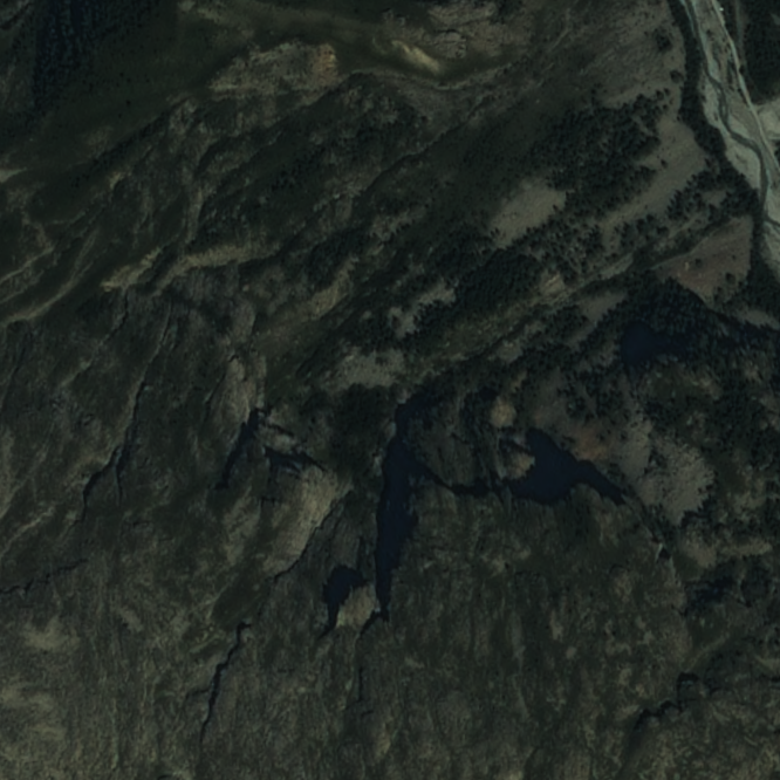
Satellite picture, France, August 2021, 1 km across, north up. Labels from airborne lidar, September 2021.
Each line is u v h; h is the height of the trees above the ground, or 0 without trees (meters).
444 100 0
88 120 0
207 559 0
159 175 0
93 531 0
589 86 0
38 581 0
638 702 0
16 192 0
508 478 0
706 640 0
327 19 0
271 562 0
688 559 0
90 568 0
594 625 0
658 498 0
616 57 0
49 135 0
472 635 0
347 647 0
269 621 0
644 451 0
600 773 0
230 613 0
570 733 0
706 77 0
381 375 0
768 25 7
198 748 0
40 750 0
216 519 0
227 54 0
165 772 0
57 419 0
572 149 8
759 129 0
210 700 0
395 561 0
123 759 0
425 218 0
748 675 0
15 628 0
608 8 0
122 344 0
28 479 0
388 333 11
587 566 0
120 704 0
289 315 0
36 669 0
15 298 0
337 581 0
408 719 0
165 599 0
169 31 0
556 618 0
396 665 0
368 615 0
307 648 0
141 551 0
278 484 0
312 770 0
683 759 0
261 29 0
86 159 0
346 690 0
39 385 0
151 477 0
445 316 12
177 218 0
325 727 0
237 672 0
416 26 0
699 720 0
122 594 0
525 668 0
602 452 0
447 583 0
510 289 13
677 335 12
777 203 0
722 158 14
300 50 0
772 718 0
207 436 0
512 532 0
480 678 0
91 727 0
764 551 8
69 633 0
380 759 0
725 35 0
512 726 0
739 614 0
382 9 0
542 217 0
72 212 0
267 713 0
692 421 0
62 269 0
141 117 0
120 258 0
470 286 16
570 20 0
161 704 0
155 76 0
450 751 0
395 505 0
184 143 0
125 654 0
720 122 0
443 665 0
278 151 0
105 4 7
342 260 11
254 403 0
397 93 0
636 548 0
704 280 0
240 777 0
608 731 0
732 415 9
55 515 0
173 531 0
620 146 8
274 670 0
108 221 0
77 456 0
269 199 6
